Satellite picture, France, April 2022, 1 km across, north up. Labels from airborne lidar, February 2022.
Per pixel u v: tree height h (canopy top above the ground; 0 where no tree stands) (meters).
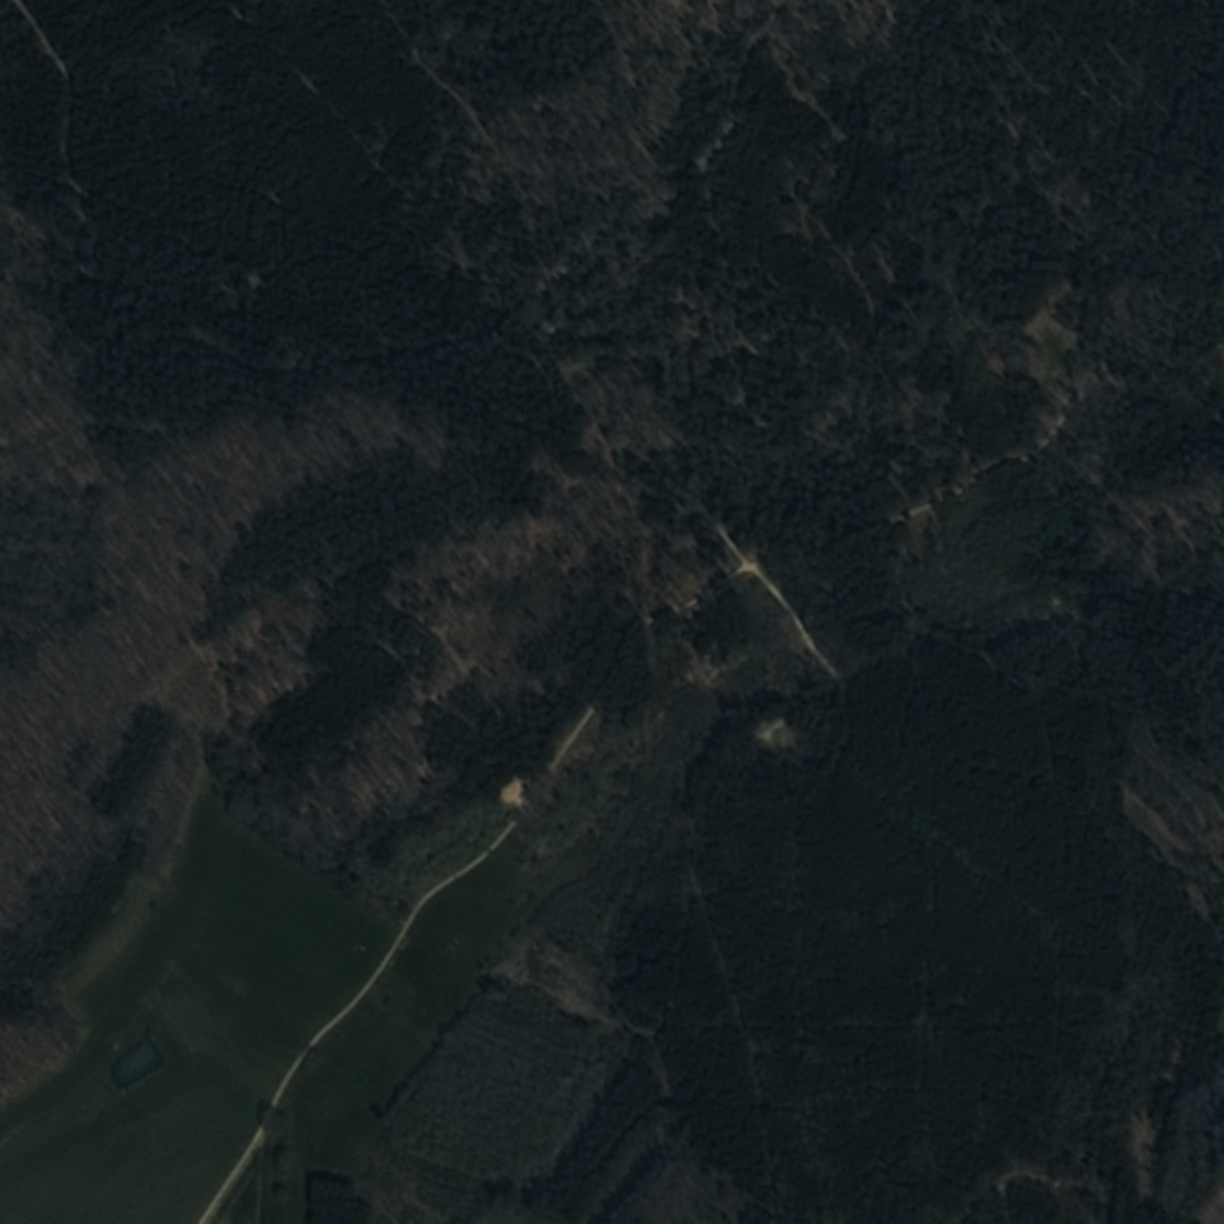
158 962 0
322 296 21
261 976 0
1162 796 30
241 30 17
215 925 0
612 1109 18
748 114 20
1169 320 20
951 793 15
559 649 28
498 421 28
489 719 17
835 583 28
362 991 0
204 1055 0
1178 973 19
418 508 17
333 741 21
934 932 12
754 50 22
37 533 31
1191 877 26
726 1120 18
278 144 17
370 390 22
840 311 9
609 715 28
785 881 11
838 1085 14
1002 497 11
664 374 9
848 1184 14
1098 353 21
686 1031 9
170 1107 0
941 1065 13
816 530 28
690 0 20
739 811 11
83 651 25
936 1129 14
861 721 18
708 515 27
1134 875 18
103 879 27
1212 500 24
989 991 17
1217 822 28
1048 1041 15
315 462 20
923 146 25
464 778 19
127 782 26
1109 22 27
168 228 22
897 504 27
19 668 25
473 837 10
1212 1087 12
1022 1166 12
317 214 13
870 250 11
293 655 29
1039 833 19
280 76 16
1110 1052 20
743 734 19
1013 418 9
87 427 21
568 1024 14
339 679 11
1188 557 26
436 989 0
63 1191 0
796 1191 12
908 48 22
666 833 9
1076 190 14
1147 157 22
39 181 24
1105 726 21
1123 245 16
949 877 12
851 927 12
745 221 15
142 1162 0
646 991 21
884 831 13
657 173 23
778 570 25
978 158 26
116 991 0
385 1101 0
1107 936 17
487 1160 14
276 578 18
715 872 10
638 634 30
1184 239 18
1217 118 26
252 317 21
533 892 0
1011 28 16
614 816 8
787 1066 12
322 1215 19
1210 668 21
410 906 10
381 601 14
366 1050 0
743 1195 7
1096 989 15
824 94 26
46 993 16
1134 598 25
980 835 13
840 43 26
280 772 19
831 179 21
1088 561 29
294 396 27
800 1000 9
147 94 22
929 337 26
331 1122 0
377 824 25
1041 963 13
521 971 0
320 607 14
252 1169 0
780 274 15
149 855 19
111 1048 0
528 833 13
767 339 32
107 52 19
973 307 31
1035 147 23
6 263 25
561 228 24
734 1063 15
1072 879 16
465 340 24
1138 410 24
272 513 17
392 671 14
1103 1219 19
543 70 18
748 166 12
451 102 13
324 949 0
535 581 11
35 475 27
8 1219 0
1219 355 25
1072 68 25
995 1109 18
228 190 14
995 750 18
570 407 28
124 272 25
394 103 10
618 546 26
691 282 9
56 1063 16
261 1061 0
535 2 28
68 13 20
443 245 10
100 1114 0
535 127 24
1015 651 24
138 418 26
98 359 20
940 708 19
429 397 26
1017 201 22
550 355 20
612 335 27
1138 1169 27
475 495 21
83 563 29
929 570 16
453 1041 19
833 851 12
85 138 18
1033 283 30
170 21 18
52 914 27
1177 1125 26
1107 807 19
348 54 14
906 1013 11
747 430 25
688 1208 30
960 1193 13
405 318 26
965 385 10
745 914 10
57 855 23
